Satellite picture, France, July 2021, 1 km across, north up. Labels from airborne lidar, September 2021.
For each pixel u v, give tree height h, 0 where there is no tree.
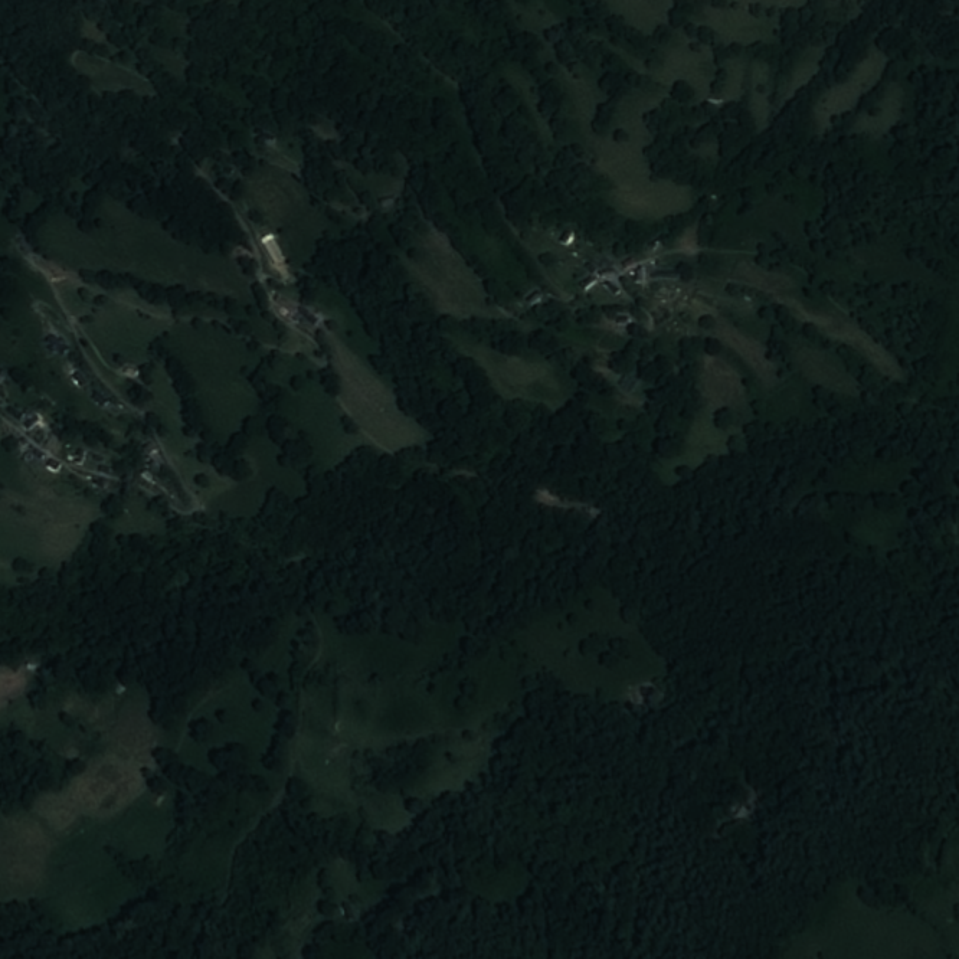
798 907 19
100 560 23
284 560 9
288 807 13
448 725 0
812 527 19
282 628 0
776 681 22
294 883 11
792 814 22
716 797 13
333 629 0
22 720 0
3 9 24
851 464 20
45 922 10
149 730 0
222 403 0
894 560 18
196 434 22
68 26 20
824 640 22
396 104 23
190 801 23
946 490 13
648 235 13
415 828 8
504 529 17
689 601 20
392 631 25
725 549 24
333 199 16
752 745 23
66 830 0
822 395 19
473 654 23
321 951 15
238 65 18
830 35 10
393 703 0
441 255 0
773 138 17
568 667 0
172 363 18
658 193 0
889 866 20
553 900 24
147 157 19
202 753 0
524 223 7
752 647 20
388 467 19
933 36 16
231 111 19
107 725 0
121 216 0
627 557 16
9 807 13
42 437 7
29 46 22
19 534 0
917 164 6
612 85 16
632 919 22
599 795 19
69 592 30
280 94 23
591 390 22
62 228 0
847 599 18
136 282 19
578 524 22
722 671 18
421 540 26
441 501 15
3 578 0
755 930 21
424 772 12
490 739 0
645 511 21
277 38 11
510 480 18
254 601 27
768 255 11
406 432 0
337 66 16
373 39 18
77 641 9
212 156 19
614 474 11
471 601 21
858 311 8
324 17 23
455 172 9
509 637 15
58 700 0
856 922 0
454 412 27
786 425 8
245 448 20
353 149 17
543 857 18
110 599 26
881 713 25
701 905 20
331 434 0
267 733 0
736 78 0
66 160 20
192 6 9
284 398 17
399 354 23
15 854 0
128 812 0
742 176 19
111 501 11
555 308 18
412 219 11
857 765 26
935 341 8
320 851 23
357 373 0
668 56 0
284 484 0
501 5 19
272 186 0
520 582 9
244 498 0
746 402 0
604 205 7
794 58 17
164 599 21
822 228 10
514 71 0
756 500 24
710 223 24
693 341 9
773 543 18
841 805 27
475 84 21
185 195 22
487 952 22
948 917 0
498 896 0
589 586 22
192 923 15
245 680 0
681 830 28
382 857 20
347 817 6
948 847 13
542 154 15
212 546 19
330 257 21
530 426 11
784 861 27
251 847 7
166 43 24
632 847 9
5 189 17
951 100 22
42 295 0
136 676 17
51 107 22
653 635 13
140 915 26
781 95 8
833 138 12
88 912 0
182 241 17
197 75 22
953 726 16
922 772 23
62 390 0
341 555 23
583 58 14
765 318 16
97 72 0
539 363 0
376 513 20
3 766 16
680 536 14
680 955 24
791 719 25
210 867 0
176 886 7
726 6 11
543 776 8
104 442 13
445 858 23
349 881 0
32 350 0
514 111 14
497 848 13
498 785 18
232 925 19
